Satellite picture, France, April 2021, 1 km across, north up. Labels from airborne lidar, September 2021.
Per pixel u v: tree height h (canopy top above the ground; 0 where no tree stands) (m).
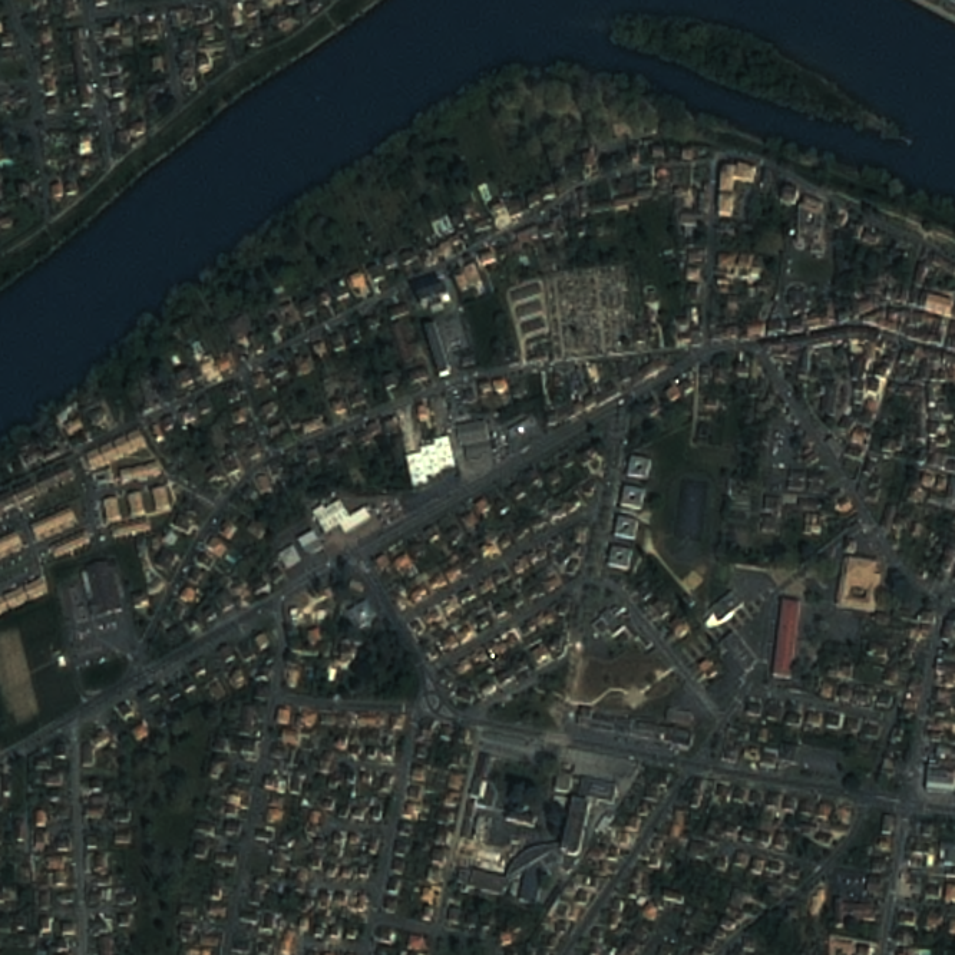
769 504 0
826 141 0
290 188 0
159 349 22
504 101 20
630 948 0
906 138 0
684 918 7
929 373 0
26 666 0
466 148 0
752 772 0
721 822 8
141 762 12
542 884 22
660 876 7
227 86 0
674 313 0
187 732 19
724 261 0
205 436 10
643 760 0
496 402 0
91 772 0
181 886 17
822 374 8
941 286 8
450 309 0
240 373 0
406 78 0
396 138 14
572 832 0
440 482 0
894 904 0
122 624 0
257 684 6
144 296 0
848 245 8
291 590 0
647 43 12
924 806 0
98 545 0
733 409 0
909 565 0
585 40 0
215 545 0
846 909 0
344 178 10
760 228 6
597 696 0
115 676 0
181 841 0
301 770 12
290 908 7
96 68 0
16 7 7
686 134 24
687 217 0
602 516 9
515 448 0
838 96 0
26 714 0
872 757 6
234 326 0
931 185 0
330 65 0
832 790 0
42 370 0
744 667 0
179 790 28
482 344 0
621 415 11
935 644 0
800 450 10
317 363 11
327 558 0
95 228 0
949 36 0
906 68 0
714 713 0
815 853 18
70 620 0
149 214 0
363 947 0
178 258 0
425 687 0
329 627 10
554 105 24
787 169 13
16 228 10
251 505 6
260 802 7
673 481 0
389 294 0
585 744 0
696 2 0
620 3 0
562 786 0
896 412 8
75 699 0
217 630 0
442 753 8
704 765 0
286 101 0
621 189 9
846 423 0
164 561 0
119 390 15
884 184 11
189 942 6
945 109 0
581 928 0
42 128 11
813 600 7
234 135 0
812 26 0
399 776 0
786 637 0
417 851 9
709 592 0
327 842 8
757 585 0
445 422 0
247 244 13
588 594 13
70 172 8
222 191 0
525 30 0
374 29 0
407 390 12
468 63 0
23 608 7
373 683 14
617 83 13
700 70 13
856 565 0
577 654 8
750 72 15
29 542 0
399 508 0
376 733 5
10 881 6
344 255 9
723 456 0
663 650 0
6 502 0
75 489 0
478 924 5
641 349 0
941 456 0
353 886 0
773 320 0
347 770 6
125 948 7
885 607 20
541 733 0
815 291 11
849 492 0
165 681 0
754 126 0
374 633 12
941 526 6
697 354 0
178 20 7
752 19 0
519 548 0
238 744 9
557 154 22
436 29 0
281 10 7
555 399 9
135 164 0
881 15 0
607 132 20
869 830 0
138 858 0
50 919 0
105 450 0
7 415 0
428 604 0
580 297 0
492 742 0
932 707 7
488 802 0
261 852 0
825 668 7
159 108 13
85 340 0
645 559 20
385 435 6
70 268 0
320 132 0
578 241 7
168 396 16
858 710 0
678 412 20
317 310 6
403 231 6
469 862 0
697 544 0
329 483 7
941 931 7
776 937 9
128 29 5
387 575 11
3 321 0
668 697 0
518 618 0
